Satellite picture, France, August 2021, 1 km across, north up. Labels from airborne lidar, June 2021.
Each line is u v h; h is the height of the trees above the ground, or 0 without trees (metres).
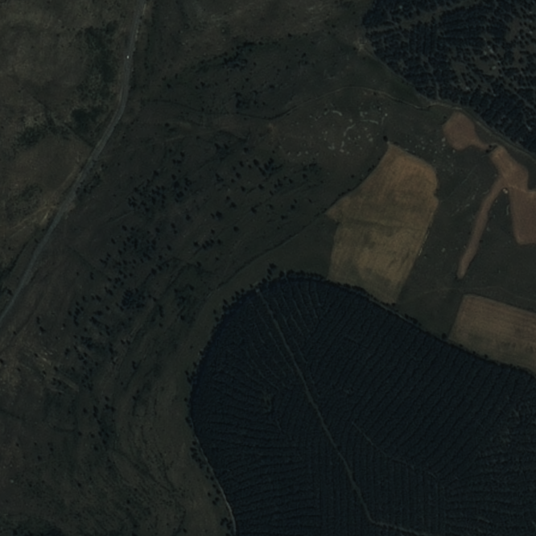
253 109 0
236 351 13
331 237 0
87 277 0
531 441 12
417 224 0
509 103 10
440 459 13
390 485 13
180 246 0
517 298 0
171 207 0
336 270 0
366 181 0
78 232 0
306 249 0
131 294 10
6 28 0
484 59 7
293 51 0
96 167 0
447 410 14
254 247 0
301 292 10
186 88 0
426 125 0
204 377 16
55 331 0
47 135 0
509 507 15
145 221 0
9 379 0
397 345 15
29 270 0
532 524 14
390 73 0
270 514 12
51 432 0
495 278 0
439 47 11
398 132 0
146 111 0
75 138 0
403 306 0
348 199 0
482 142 0
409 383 15
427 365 15
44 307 0
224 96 0
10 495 0
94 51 0
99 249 0
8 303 0
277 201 0
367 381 14
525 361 0
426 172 0
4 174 0
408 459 12
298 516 11
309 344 15
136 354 0
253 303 13
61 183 0
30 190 0
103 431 8
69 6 0
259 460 12
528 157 0
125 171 0
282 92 0
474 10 11
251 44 9
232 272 0
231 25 0
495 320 0
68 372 0
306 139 0
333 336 14
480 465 11
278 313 13
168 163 0
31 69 0
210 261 0
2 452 0
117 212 0
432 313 0
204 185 0
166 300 0
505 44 9
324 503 13
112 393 0
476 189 0
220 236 0
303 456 13
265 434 13
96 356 0
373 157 0
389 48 8
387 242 0
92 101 0
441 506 12
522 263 0
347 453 12
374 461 12
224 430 11
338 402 14
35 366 0
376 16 10
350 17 0
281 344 13
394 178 0
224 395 13
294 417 13
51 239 0
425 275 0
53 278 0
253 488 14
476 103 11
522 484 12
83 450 0
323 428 10
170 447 0
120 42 0
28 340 0
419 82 10
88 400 0
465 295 0
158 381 0
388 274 0
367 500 12
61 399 0
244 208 0
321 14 0
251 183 0
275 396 13
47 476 0
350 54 0
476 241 0
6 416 0
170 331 0
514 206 0
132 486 0
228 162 0
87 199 0
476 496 15
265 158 0
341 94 0
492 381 15
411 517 13
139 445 0
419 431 14
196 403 15
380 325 13
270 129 0
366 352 15
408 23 0
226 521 9
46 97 0
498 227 0
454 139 0
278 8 0
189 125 0
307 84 0
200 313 0
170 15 0
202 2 0
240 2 0
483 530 14
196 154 0
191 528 0
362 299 16
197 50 0
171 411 0
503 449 13
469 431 14
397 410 15
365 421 13
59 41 0
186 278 0
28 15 0
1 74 0
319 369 15
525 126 10
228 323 15
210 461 16
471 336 0
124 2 0
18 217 0
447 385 15
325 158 0
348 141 0
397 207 0
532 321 0
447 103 0
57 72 0
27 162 0
